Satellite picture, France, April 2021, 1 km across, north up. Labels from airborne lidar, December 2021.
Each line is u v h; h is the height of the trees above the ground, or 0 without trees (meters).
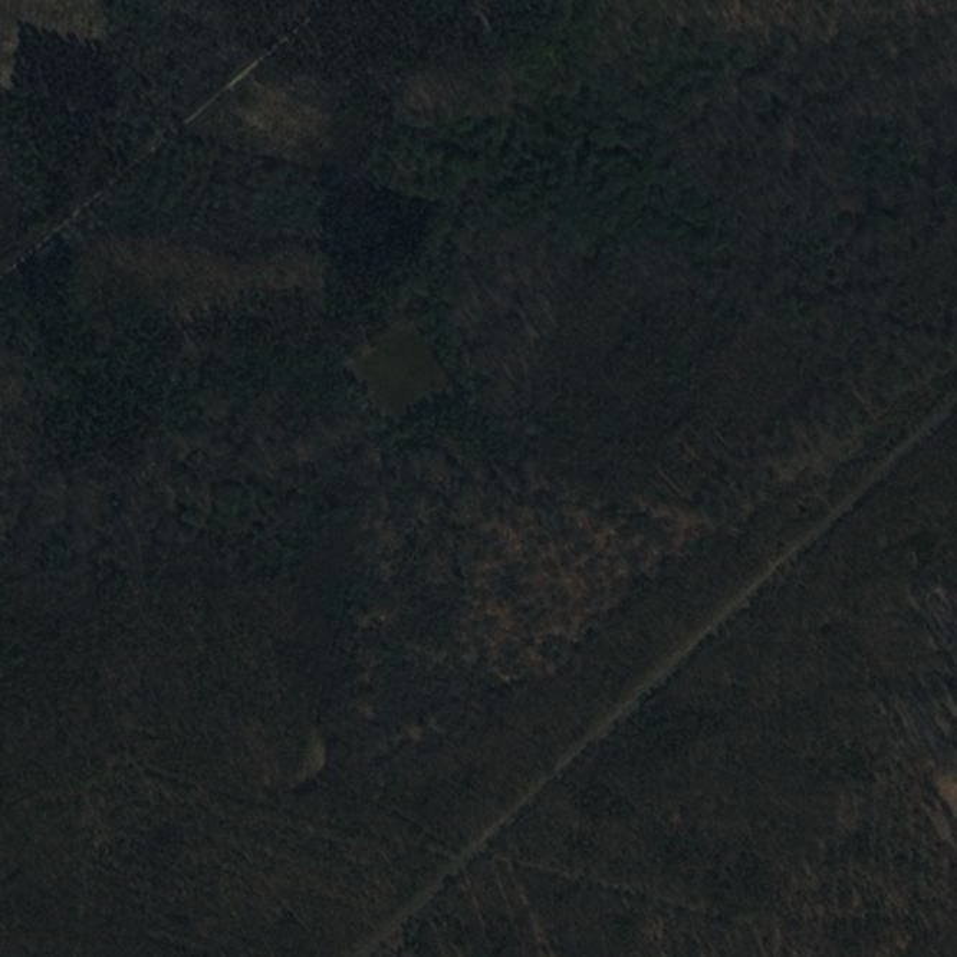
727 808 11
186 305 18
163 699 19
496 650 0
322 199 23
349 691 9
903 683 13
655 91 23
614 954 15
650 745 12
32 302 22
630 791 14
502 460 20
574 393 12
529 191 26
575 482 15
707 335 6
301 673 10
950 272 9
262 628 14
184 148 21
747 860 12
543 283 27
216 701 16
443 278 21
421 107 25
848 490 8
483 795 11
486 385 27
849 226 22
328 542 6
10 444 15
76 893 14
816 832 13
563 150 24
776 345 13
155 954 15
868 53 22
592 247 19
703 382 9
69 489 24
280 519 25
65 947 13
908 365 16
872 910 14
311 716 12
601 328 13
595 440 9
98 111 23
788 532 10
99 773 16
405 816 12
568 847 15
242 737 17
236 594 14
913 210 15
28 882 14
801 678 13
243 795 15
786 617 13
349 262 23
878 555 14
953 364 17
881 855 14
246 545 9
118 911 14
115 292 22
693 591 14
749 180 20
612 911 15
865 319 16
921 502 14
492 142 17
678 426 9
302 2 22
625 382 14
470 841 9
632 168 20
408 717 7
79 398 15
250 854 15
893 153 25
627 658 13
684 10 29
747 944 15
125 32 8
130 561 21
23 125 19
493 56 22
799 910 15
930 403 7
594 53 28
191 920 12
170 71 16
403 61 18
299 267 17
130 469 18
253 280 19
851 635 14
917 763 12
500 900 13
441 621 6
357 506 6
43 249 16
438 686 6
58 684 17
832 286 8
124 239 20
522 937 14
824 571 11
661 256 23
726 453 14
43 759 17
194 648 17
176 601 15
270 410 11
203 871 15
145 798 13
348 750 11
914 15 22
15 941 13
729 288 20
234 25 7
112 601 15
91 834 12
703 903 13
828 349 18
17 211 6
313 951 12
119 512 19
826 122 23
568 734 13
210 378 18
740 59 22
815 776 7
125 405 15
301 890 14
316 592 6
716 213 25
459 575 0
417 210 14
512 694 14
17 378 20
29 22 0
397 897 14
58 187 21
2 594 14
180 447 18
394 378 0
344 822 17
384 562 7
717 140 26
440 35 18
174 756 14
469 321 29
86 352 20
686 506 13
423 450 11
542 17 23
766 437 13
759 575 12
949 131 27
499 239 24
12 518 9
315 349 12
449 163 24
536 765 12
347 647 9
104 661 14
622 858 11
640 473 8
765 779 10
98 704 14
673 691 13
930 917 14
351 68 16
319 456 27
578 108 12
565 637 0
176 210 13
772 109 18
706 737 13
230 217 15
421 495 19
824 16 23
